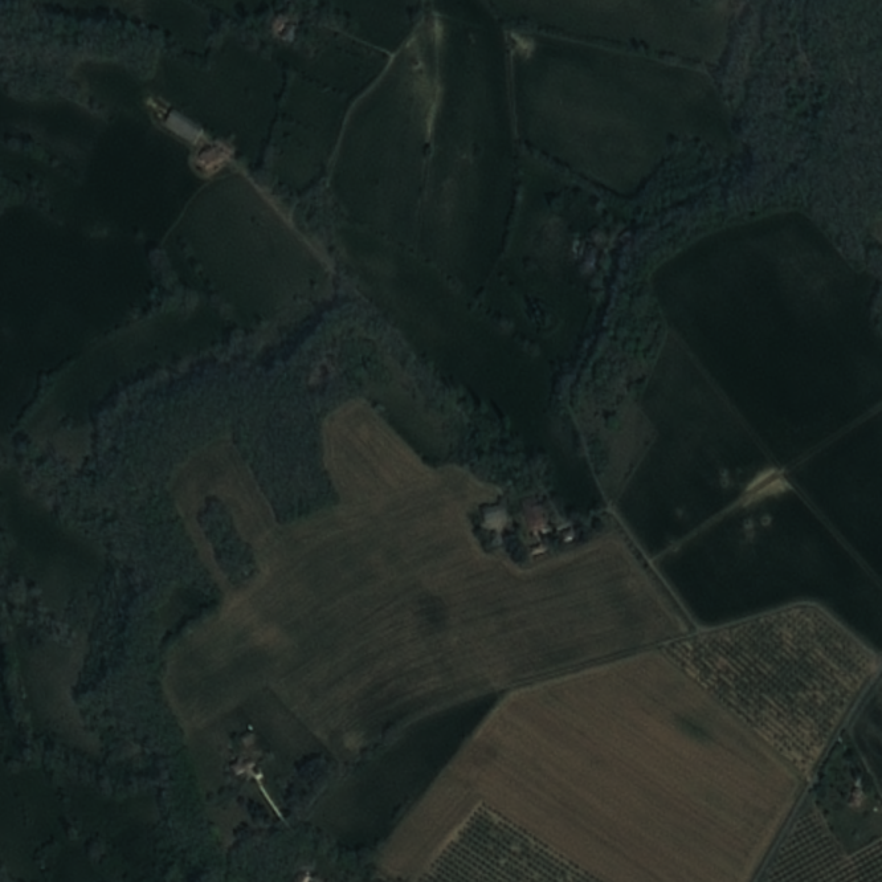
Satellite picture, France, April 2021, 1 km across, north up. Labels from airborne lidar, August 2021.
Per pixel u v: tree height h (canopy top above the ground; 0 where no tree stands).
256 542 0
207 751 0
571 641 0
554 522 9
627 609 0
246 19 20
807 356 0
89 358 0
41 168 0
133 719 22
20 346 0
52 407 0
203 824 13
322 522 0
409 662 0
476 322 0
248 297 0
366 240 0
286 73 17
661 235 14
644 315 8
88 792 0
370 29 0
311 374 10
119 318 0
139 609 16
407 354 21
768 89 16
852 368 0
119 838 0
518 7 0
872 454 0
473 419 6
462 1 0
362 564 0
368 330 14
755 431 0
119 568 17
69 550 0
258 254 0
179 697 0
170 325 0
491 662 0
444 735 0
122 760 18
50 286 0
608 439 0
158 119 0
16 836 0
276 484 17
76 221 0
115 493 18
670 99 0
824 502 0
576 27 0
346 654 0
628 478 7
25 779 0
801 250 0
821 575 0
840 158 16
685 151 10
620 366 8
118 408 18
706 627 0
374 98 0
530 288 0
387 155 0
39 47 16
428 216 0
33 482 18
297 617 0
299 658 0
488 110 0
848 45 18
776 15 9
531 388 0
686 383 0
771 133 22
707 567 0
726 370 0
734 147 0
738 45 18
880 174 22
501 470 8
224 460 0
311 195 14
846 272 0
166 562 13
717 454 0
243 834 10
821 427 0
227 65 0
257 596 0
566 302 0
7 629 20
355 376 8
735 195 25
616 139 0
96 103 13
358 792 0
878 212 17
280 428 19
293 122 6
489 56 0
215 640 0
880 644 0
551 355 0
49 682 0
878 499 0
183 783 12
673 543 0
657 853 0
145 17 0
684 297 0
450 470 0
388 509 0
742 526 0
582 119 0
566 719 0
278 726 0
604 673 0
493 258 0
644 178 0
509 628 0
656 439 0
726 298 0
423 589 0
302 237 0
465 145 0
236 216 0
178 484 0
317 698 0
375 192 0
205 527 16
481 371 0
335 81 0
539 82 0
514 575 0
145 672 16
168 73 0
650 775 0
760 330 0
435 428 0
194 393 18
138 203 0
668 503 0
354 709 0
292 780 7
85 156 0
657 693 0
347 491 0
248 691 0
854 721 0
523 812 0
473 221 0
